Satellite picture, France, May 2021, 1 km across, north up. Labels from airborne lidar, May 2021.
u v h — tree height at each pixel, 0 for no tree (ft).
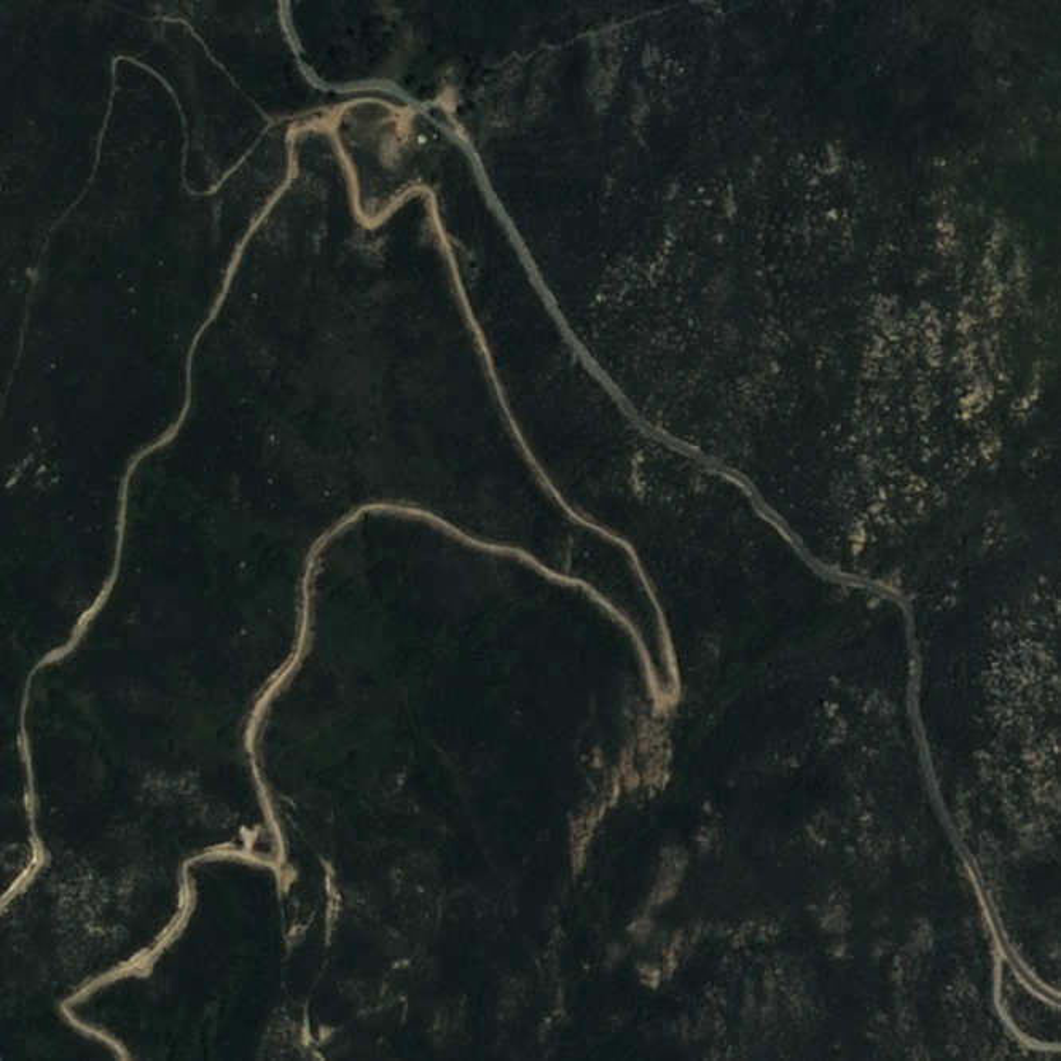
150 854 26
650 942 0
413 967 0
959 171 0
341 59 63
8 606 45
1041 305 0
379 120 0
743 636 23
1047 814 0
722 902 0
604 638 24
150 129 17
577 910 21
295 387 18
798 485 0
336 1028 0
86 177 18
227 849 0
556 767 0
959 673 23
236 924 27
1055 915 0
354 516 0
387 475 0
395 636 18
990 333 0
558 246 0
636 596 24
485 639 22
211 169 0
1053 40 0
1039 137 0
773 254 19
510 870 0
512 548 0
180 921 0
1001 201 0
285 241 0
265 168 0
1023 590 0
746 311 0
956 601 0
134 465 0
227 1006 39
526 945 0
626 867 20
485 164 0
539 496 20
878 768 0
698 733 24
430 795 18
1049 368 0
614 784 0
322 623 0
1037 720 0
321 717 0
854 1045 0
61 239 19
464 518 0
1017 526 0
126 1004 28
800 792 19
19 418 20
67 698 31
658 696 0
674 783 22
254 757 0
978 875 0
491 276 19
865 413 0
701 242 0
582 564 21
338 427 20
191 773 0
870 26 42
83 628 0
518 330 18
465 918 20
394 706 0
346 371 0
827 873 0
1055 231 0
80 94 21
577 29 18
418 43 0
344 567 0
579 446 17
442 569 0
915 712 0
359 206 0
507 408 0
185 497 30
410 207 22
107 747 28
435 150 0
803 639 21
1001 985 0
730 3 24
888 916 0
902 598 0
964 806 0
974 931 0
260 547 29
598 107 0
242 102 20
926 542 25
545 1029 0
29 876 0
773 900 0
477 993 20
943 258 0
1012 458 19
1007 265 0
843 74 18
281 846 0
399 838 34
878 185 0
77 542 36
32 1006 36
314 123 0
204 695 0
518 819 19
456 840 21
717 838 0
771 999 0
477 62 49
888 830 0
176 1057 41
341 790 26
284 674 0
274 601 0
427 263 19
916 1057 0
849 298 0
